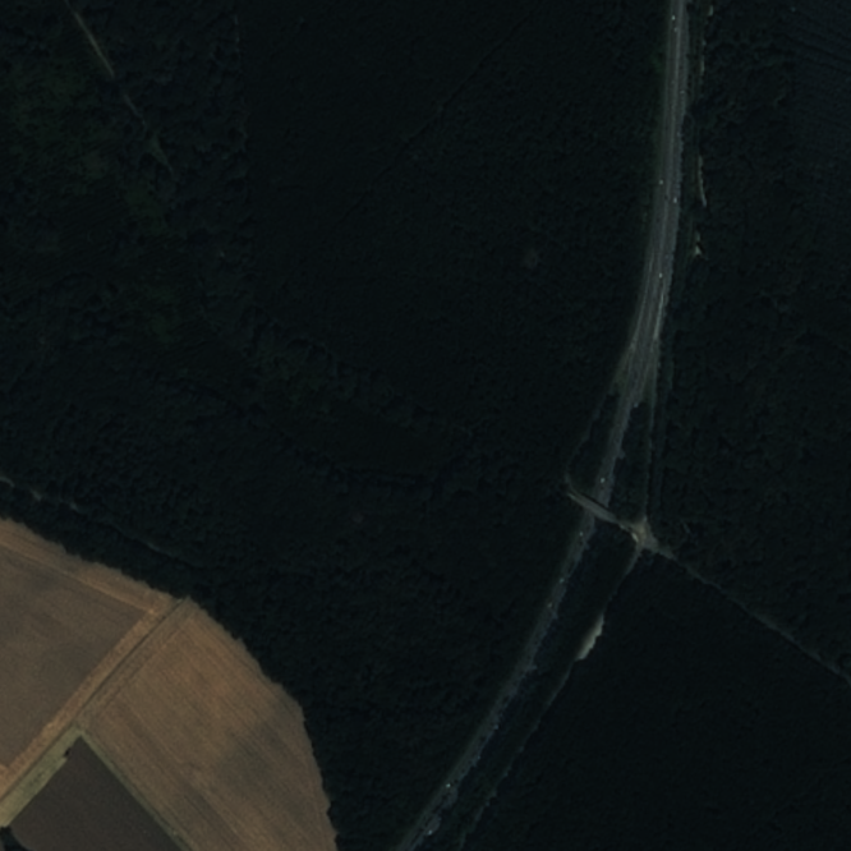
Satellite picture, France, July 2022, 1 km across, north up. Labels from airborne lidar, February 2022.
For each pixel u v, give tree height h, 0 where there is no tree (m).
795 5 15
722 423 25
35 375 20
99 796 0
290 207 16
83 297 9
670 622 17
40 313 15
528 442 13
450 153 14
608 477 0
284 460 27
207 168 22
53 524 22
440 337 14
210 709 0
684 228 13
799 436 24
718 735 16
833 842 16
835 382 30
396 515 26
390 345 18
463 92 13
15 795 0
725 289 22
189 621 0
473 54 18
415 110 14
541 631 0
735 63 24
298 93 11
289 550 25
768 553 23
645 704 15
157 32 23
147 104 23
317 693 19
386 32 13
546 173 13
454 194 16
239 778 0
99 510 24
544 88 15
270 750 0
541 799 25
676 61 0
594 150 14
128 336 10
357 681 20
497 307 13
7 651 0
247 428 23
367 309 17
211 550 25
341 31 13
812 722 18
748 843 16
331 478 28
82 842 0
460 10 20
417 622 22
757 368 22
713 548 22
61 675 0
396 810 22
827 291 19
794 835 16
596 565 14
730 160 22
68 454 26
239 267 23
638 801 16
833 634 20
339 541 25
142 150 29
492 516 25
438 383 18
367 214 13
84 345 23
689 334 23
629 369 0
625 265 13
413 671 19
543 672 9
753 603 19
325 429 7
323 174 10
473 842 19
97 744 0
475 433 13
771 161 22
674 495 23
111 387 26
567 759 8
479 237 13
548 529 23
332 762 22
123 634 0
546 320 14
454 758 18
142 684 0
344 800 19
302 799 0
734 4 22
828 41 14
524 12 20
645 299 0
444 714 21
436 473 8
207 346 7
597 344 15
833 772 15
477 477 10
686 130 12
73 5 21
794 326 22
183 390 26
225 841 0
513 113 15
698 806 16
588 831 16
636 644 17
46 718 0
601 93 16
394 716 26
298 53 16
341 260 14
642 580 17
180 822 0
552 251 11
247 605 19
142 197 0
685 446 21
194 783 0
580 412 14
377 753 21
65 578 0
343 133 13
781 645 18
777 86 23
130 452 21
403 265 14
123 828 0
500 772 18
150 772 0
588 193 14
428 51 16
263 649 21
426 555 14
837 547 28
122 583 0
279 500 25
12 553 0
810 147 13
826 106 14
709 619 16
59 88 0
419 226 15
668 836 12
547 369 15
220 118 27
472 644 24
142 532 22
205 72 22
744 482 25
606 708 13
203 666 0
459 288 12
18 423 22
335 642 19
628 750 15
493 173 12
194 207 26
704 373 23
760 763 16
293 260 16
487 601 13
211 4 17
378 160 16
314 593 24
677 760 16
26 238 14
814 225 16
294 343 23
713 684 17
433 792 19
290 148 12
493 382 16
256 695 0
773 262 21
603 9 17
